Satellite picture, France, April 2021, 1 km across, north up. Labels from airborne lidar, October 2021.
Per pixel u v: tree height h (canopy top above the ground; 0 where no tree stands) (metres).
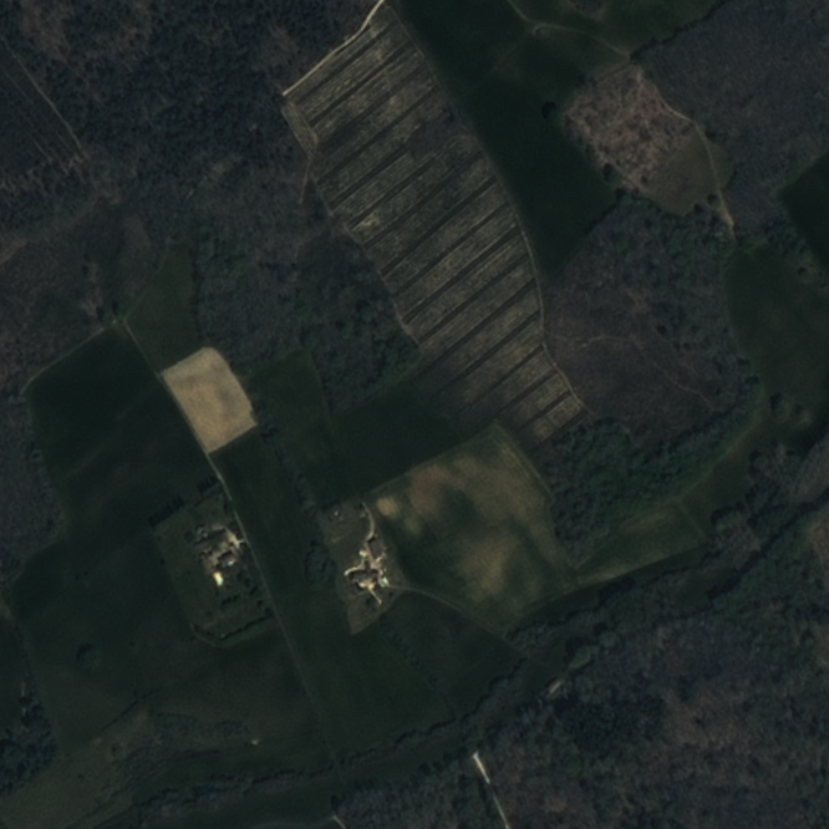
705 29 15
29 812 0
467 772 22
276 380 0
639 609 28
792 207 0
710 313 14
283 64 7
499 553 0
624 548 0
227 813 0
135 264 13
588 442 22
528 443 0
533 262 0
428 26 0
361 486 0
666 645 11
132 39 10
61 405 0
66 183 11
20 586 0
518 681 10
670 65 20
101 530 0
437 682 10
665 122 17
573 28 0
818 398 0
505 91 0
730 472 0
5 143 8
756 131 13
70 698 0
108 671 0
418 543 0
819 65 18
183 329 0
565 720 24
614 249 22
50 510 13
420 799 23
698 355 15
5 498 12
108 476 0
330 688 0
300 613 0
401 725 0
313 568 9
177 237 26
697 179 0
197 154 18
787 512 27
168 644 0
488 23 0
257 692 0
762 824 14
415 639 0
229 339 16
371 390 17
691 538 0
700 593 0
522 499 0
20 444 11
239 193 20
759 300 0
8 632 0
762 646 20
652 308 11
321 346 16
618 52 0
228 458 0
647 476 15
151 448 0
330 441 0
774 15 14
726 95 12
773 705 9
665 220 15
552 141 0
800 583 9
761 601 10
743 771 15
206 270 25
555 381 0
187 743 0
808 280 12
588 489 14
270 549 0
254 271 16
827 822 7
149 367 0
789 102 16
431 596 0
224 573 7
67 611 0
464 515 0
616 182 24
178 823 0
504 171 0
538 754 18
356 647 0
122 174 10
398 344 12
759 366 0
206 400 0
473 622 0
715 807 13
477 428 0
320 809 0
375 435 0
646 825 18
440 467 0
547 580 0
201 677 0
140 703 5
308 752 0
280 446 17
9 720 0
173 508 0
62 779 0
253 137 17
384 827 18
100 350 0
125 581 0
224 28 16
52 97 6
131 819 0
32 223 15
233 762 0
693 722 13
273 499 0
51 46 19
